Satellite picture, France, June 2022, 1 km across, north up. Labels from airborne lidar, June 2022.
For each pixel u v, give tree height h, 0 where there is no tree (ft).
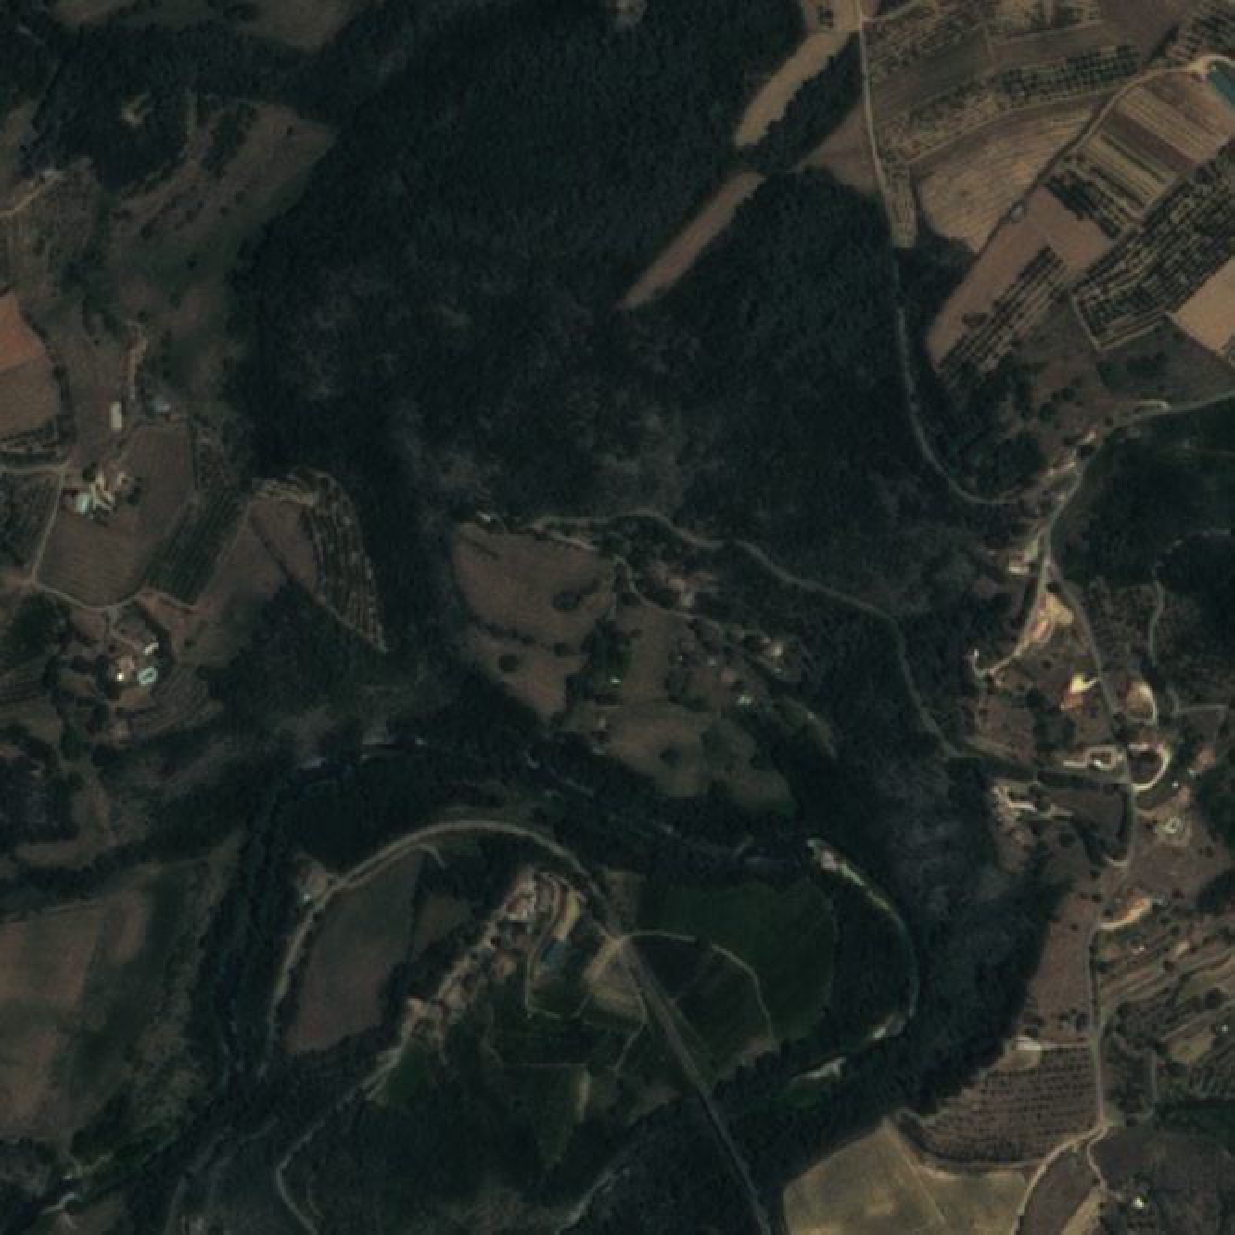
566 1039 31
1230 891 27
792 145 44
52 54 57
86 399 0
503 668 26
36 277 0
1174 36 23
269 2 0
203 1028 32
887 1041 37
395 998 33
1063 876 0
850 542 31
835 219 54
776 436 40
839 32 0
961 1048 26
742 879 46
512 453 23
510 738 66
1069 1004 0
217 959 64
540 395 43
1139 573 38
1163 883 0
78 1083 0
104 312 18
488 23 42
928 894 24
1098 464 0
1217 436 27
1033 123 0
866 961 52
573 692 53
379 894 0
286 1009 49
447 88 56
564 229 42
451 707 36
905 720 39
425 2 44
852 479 35
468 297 32
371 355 26
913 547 24
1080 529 0
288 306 28
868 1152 0
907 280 31
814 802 71
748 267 64
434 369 53
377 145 47
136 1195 30
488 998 31
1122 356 0
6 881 32
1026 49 0
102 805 0
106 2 0
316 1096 28
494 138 31
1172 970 45
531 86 40
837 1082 25
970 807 28
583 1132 35
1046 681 0
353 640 42
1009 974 31
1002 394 30
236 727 31
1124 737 38
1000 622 20
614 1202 20
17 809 28
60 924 0
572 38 40
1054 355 0
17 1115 0
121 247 0
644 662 0
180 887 0
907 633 39
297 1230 21
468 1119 37
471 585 0
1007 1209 0
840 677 32
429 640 37
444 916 0
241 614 0
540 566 0
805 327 52
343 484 31
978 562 37
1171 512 33
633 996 0
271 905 40
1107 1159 0
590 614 0
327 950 0
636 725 0
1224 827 32
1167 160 0
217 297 0
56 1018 0
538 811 0
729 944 0
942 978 21
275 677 26
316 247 40
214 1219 0
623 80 63
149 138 25
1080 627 0
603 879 28
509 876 42
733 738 0
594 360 31
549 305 29
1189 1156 0
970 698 38
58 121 30
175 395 0
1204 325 0
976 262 0
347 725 28
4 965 0
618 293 24
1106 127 0
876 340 64
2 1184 23
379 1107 34
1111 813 0
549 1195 31
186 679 0
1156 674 34
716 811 62
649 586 32
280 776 54
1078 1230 0
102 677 34
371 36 39
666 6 52
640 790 45
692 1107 22
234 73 43
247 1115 42
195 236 0
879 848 31
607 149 45
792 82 0
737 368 32
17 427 0
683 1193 68
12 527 31
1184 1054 0
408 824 45
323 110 45
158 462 0
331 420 70
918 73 0
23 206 0
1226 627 40
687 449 22
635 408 24
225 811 31
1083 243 0
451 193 46
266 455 48
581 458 19
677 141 50
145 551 0
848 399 45
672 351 33
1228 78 0
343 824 32
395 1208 19
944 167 0
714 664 0
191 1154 33
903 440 31
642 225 58
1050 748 23
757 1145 41
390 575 25
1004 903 23
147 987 0
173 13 0
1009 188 0
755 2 42
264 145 0
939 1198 0
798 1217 0
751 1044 0
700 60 64
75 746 51
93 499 0
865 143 0
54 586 0
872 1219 0
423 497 38
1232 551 25
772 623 22
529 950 0
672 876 45
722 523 23
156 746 21
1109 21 0
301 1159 26
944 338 0
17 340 0
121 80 54
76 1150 34
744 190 0
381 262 39
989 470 33
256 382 34
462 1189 18
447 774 50
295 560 0
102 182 41
